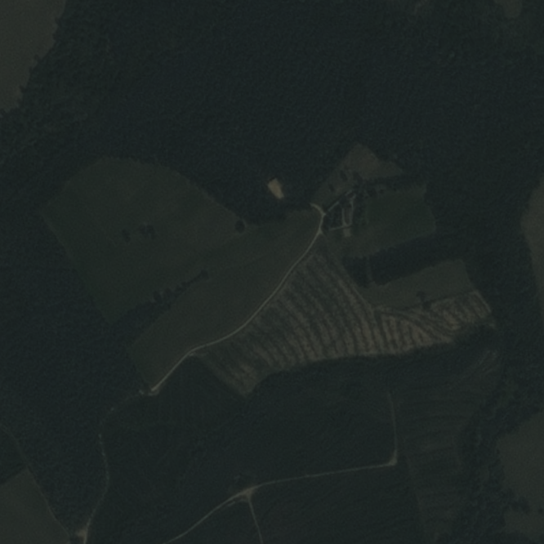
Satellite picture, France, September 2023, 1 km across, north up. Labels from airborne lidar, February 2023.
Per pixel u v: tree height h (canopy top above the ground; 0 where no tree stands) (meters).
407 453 0
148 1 9
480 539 17
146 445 0
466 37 19
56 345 29
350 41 29
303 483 0
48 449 27
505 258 20
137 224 0
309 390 0
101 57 9
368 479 0
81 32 8
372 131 27
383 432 0
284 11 20
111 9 8
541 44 0
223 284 0
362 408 0
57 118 10
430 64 22
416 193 0
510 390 0
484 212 18
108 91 11
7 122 10
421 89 25
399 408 0
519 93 21
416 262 17
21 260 22
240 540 0
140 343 0
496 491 13
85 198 0
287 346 0
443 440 0
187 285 7
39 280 28
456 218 23
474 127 21
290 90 25
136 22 22
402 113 26
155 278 0
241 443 0
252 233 0
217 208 0
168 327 0
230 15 16
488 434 19
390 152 19
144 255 0
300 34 27
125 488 0
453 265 0
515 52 17
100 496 26
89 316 28
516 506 18
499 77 22
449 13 16
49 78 9
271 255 0
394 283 0
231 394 0
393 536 0
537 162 17
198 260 0
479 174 16
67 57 8
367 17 23
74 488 27
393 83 28
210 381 0
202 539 0
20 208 23
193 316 0
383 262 13
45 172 20
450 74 19
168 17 25
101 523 0
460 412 0
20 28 0
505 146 24
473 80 19
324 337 0
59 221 0
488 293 22
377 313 0
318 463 0
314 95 29
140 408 0
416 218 0
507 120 26
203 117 11
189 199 0
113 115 28
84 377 25
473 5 22
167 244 0
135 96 22
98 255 0
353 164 0
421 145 19
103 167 0
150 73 16
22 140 7
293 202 14
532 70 27
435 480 0
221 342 0
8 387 25
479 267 14
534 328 20
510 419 5
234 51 28
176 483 0
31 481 0
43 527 0
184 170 21
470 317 0
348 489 0
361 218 13
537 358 18
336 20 19
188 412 0
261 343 0
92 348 24
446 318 0
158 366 0
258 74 26
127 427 0
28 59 0
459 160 17
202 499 0
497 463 13
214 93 26
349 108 21
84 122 11
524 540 15
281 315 0
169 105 22
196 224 0
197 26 20
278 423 0
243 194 23
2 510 0
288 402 0
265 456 0
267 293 0
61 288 30
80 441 30
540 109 21
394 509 0
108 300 0
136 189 0
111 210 0
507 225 16
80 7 11
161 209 0
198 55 26
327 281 0
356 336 0
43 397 29
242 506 0
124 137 29
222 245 0
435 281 0
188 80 27
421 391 0
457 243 13
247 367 0
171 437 0
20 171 10
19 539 0
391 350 6
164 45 17
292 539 0
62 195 0
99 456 30
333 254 0
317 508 0
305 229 0
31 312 29
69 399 28
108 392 26
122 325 15
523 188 15
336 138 23
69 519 19
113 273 0
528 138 15
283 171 25
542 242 0
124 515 0
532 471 0
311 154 27
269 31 21
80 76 9
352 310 0
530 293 20
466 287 0
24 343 31
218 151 24
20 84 0
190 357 0
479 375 0
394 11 16
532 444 0
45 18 0
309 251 6
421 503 0
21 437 24
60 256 22
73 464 27
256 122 21
